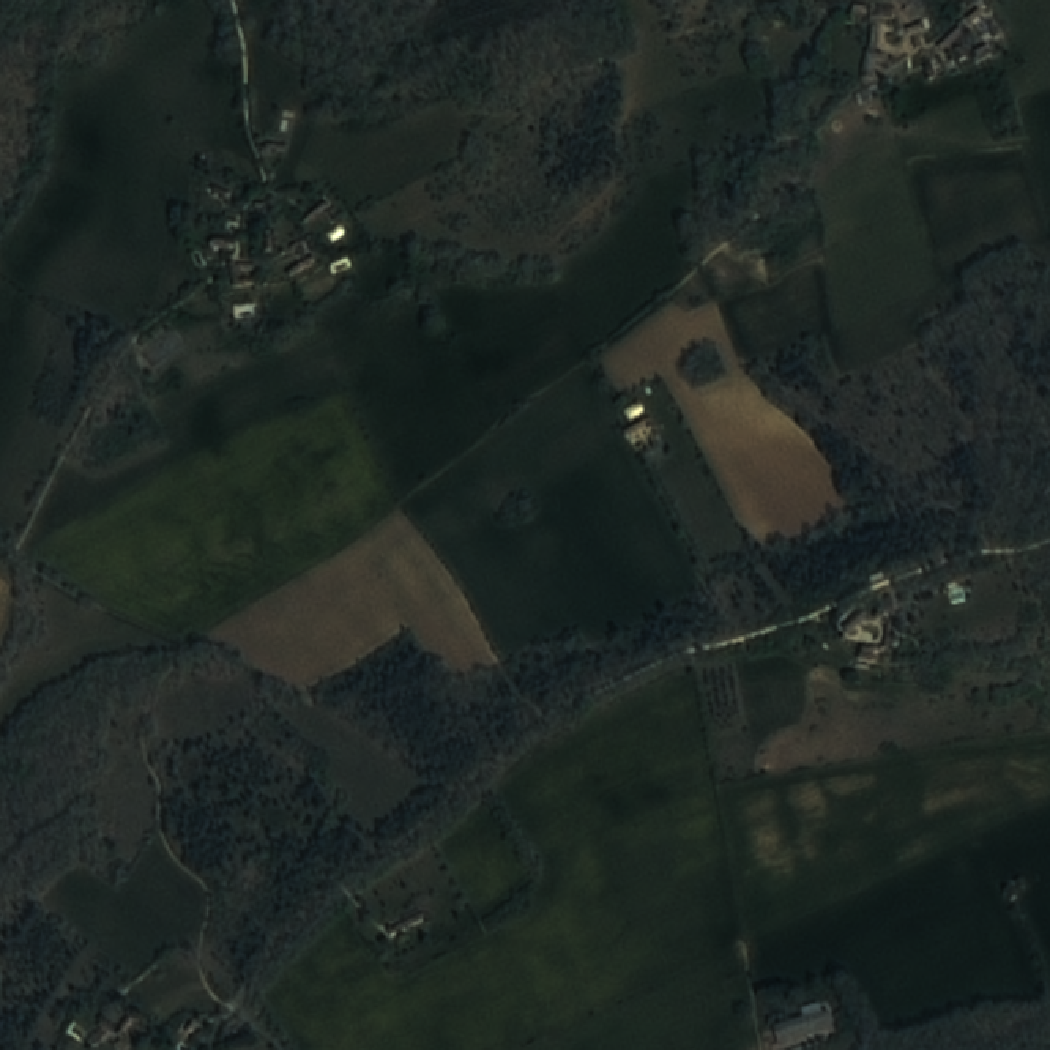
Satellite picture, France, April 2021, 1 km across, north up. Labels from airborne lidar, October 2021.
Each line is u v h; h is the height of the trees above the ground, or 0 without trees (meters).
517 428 0
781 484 0
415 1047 0
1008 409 15
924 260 0
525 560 0
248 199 11
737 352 0
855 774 0
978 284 14
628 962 0
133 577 0
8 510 0
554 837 0
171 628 0
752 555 6
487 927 8
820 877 0
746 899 0
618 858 0
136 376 14
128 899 0
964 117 0
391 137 0
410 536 0
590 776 0
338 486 0
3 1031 10
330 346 0
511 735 13
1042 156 0
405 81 23
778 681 0
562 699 11
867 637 0
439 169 7
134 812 0
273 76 0
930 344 12
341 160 0
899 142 0
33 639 13
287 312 0
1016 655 15
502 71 17
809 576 8
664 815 0
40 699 13
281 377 0
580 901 0
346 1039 0
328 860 6
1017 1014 15
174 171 0
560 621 0
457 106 12
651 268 0
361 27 15
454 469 0
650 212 0
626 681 12
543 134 8
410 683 11
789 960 0
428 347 0
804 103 17
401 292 17
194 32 0
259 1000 13
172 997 0
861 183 0
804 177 15
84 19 11
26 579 15
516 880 0
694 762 0
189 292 13
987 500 13
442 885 0
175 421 0
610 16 19
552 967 0
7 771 17
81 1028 0
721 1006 0
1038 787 0
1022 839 0
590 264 0
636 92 0
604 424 0
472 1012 0
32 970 6
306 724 0
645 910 0
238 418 0
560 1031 0
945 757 0
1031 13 0
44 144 17
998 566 10
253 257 8
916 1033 17
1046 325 12
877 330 0
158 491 0
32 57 17
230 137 0
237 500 0
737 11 17
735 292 0
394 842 11
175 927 0
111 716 12
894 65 10
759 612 7
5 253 0
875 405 7
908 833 0
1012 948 0
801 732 0
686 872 0
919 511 12
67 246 0
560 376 0
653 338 0
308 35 14
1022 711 0
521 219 6
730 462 0
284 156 0
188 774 0
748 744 0
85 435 8
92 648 0
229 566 0
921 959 0
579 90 11
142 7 9
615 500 0
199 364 0
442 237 0
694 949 0
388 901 0
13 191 10
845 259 0
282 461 0
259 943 9
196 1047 11
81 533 0
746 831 0
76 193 0
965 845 0
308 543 0
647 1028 0
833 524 16
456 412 0
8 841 15
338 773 0
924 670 17
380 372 0
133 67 0
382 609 0
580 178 11
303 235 7
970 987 0
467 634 0
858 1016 21
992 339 12
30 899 15
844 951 0
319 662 0
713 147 0
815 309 0
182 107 0
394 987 0
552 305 0
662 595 0
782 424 0
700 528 0
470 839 0
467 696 11
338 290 8
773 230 20
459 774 11
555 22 18
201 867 11
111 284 0
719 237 15
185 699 0
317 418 0
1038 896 0
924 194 0
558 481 0
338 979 0
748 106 0
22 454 0
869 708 0
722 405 0
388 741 9
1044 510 17
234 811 9
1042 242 0
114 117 0
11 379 0
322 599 0
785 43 0
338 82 21
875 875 0
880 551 14
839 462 20
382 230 0
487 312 0
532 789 0
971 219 0
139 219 0
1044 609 7
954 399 12
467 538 0
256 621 0
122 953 0
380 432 0
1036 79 0
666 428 0
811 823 0
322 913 12
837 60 0
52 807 18
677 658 10
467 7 5
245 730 7
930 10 12
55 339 0
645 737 0
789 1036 0
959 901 0
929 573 10
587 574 0
